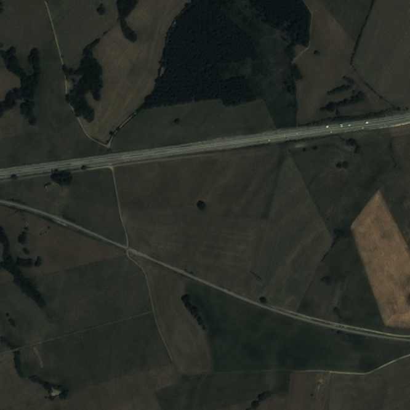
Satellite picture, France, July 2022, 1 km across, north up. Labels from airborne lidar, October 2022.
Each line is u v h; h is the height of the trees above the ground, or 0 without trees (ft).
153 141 0
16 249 0
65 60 0
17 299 0
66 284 0
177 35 51
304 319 0
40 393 0
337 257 0
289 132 0
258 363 0
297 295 0
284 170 0
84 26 0
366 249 0
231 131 0
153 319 0
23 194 0
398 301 0
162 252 0
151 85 0
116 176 0
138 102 0
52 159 0
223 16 47
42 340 0
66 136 0
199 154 0
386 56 0
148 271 0
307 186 0
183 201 0
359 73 0
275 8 65
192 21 47
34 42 0
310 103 0
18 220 0
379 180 0
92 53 50
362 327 0
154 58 0
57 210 0
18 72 59
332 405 0
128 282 0
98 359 0
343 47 0
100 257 0
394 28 0
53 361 0
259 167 0
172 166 0
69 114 0
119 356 0
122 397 0
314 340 0
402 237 0
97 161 0
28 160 0
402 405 0
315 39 0
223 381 0
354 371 0
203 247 0
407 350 0
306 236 0
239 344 0
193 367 0
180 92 56
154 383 0
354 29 0
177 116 0
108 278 0
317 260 0
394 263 0
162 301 0
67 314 0
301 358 0
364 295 0
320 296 0
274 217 0
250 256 0
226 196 0
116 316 0
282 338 0
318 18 0
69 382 0
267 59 0
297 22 58
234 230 0
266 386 0
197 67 54
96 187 0
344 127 0
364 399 0
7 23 0
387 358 0
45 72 0
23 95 48
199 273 0
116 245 0
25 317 0
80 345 0
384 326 0
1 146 0
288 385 0
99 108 0
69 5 0
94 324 0
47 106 0
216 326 0
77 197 0
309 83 0
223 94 46
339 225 0
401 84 0
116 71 0
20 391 0
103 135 0
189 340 0
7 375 0
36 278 0
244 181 0
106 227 0
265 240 0
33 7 0
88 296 0
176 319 0
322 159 0
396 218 0
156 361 0
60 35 0
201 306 0
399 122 0
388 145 0
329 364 0
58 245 0
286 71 0
